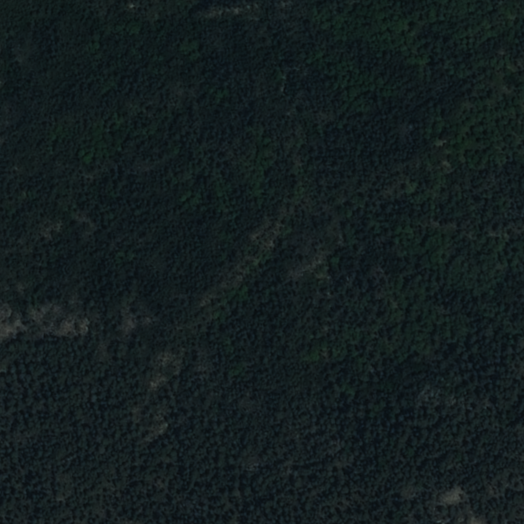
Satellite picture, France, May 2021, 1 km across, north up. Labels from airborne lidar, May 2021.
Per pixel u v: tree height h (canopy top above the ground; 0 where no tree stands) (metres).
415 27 22
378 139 11
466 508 19
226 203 27
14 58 11
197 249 17
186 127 9
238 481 28
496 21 17
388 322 8
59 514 25
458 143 12
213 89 20
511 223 16
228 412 17
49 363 21
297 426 24
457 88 14
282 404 19
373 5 23
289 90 8
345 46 12
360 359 16
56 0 16
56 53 22
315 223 9
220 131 21
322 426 38
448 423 29
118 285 6
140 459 20
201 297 14
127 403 21
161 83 10
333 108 17
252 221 20
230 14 7
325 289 15
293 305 11
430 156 12
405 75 14
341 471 31
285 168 21
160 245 23
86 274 19
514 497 30
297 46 12
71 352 18
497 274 19
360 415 25
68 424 28
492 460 22
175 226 21
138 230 6
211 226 22
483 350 13
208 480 24
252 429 16
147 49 15
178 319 9
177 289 14
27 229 21
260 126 26
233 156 9
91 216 15
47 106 16
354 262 12
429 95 9
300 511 28
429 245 20
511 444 19
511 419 18
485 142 21
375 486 26
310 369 25
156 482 14
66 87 11
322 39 22
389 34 16
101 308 22
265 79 7
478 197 14
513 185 22
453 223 18
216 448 31
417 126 16
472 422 20
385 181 24
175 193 7
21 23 8
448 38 7
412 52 17
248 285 22
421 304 24
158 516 12
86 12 21
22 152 18
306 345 8
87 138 9
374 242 19
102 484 24
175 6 8
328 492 8
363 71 13
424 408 12
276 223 28
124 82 23
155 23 14
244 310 27
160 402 6
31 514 15
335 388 29
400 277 22
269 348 18
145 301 6
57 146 26
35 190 29
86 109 20
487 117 14
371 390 9
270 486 22
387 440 27
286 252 17
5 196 16
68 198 20
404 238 27
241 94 7
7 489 29
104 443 32
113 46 12
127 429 7
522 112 11
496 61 11
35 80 19
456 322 21
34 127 22
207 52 18
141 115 21
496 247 24
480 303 24
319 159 14
